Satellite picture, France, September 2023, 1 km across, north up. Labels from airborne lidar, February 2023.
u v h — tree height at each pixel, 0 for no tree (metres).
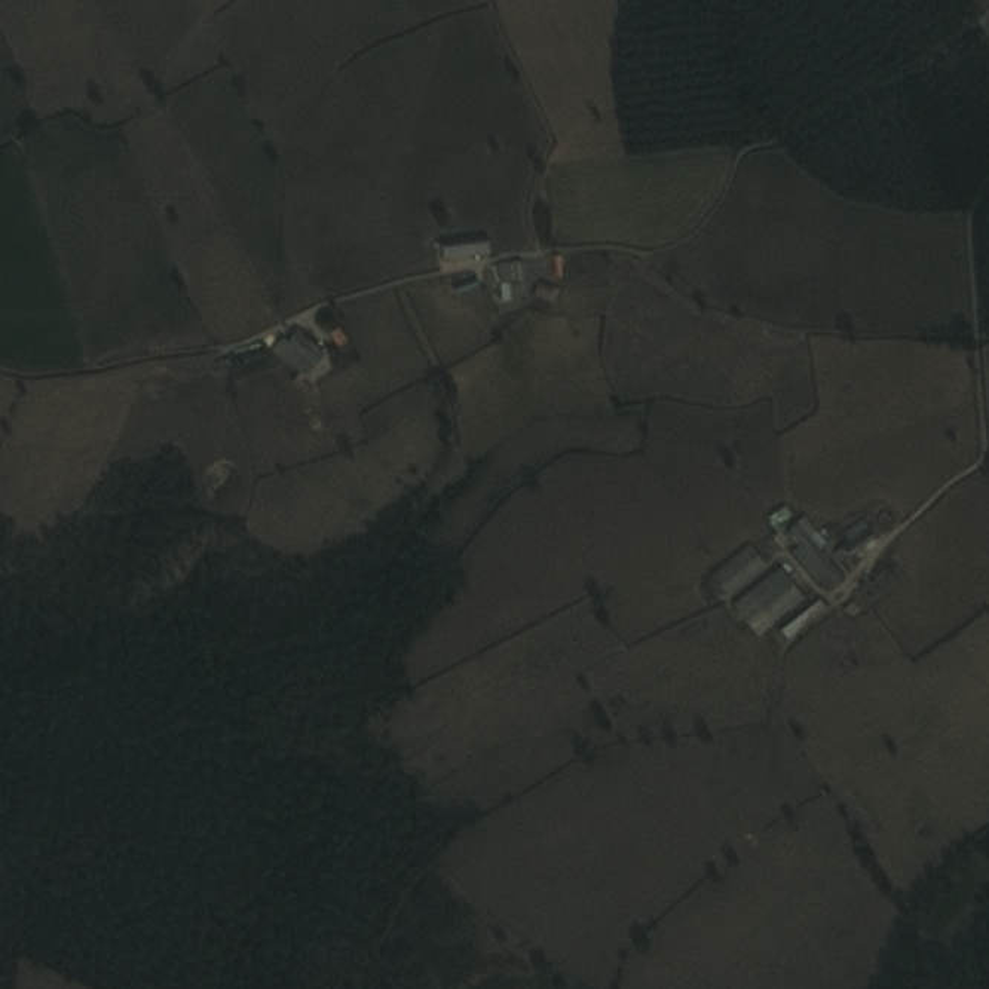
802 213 0
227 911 13
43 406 0
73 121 0
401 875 13
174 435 0
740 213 0
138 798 40
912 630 0
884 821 0
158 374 0
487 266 0
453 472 0
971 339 15
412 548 22
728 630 0
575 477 0
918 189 15
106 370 0
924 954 22
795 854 0
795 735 11
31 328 0
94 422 0
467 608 0
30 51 0
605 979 0
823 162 15
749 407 0
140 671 21
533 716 0
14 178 0
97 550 13
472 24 0
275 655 22
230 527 7
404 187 0
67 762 37
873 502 0
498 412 0
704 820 0
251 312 0
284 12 0
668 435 0
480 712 0
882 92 15
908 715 0
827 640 0
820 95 17
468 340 0
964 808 0
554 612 0
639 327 0
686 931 0
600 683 0
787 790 0
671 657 0
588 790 0
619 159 0
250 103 0
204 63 0
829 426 0
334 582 20
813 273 0
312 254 0
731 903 0
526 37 0
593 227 0
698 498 0
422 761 0
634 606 0
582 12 0
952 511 0
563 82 0
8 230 0
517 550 0
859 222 0
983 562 0
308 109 0
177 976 35
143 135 0
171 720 22
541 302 0
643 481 0
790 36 16
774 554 0
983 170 14
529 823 0
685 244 0
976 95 15
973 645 0
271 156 12
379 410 0
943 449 0
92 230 0
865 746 0
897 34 17
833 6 17
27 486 0
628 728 0
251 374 0
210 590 8
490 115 0
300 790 27
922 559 0
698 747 0
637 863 0
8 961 16
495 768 0
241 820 6
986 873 0
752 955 0
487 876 0
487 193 0
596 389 0
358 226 0
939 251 0
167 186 0
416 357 0
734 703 0
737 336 0
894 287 0
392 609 26
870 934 0
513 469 0
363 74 0
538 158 17
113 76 0
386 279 0
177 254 0
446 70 0
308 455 0
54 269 0
